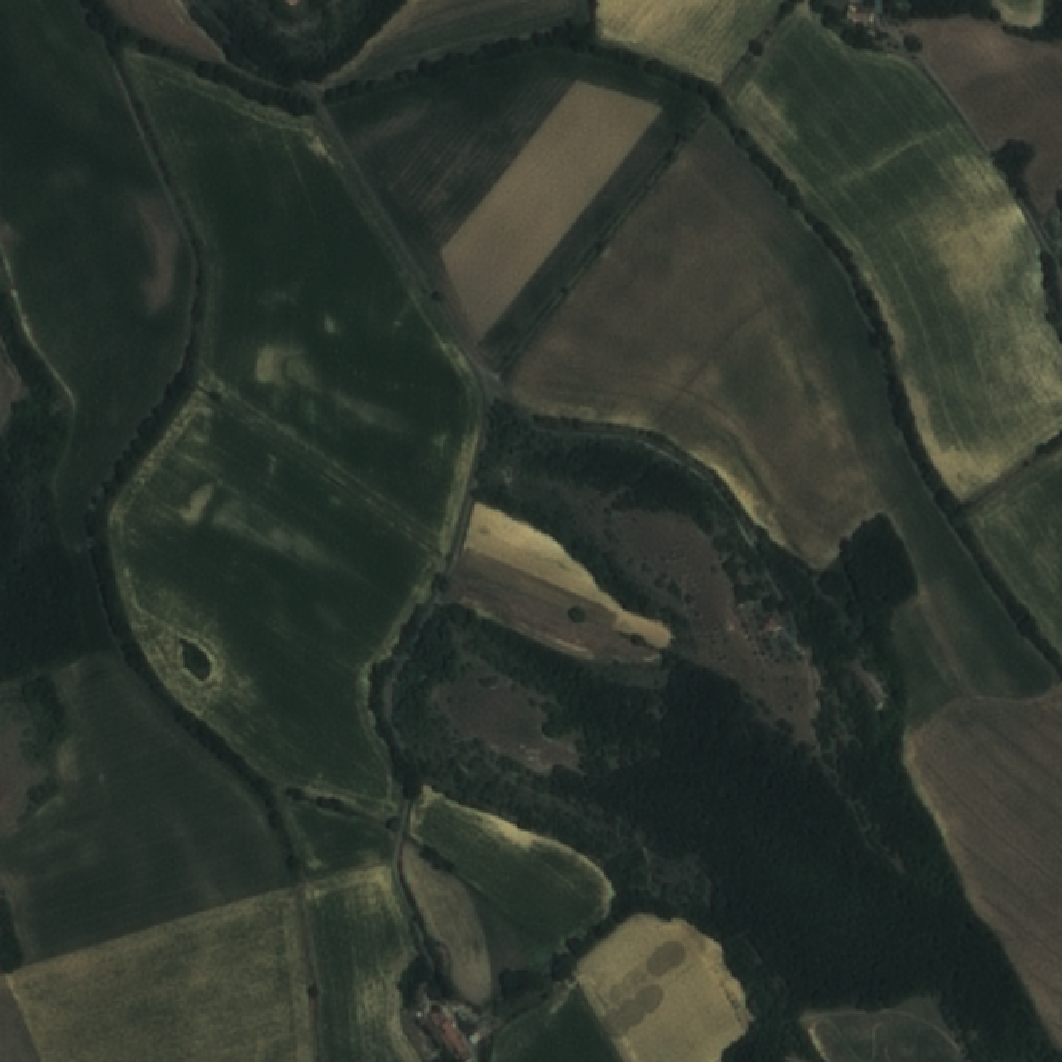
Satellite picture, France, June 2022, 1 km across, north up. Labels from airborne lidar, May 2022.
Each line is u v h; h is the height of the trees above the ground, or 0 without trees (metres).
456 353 0
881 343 20
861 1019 0
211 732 16
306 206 0
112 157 0
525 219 0
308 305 0
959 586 0
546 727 10
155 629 0
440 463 0
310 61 6
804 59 0
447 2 0
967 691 0
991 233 0
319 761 0
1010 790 0
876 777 15
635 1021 0
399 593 0
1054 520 0
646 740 9
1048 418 0
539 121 0
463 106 0
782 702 0
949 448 0
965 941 20
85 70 0
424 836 0
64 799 0
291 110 15
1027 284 0
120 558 0
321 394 0
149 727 0
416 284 0
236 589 0
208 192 0
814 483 0
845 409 0
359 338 0
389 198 0
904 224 0
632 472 7
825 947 12
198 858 0
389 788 0
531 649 12
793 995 11
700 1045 0
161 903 0
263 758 0
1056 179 0
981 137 0
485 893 0
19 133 0
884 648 12
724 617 0
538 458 9
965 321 0
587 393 0
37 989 0
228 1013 0
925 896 9
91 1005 0
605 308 0
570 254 0
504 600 0
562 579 0
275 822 17
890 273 0
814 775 9
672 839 10
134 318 0
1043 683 0
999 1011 17
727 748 13
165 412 8
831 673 6
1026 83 0
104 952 0
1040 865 0
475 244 0
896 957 13
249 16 6
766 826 10
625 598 12
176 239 0
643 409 0
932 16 8
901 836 14
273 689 0
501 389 0
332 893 0
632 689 8
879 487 0
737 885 14
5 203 0
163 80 0
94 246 0
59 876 0
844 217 0
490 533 0
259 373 0
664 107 0
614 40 0
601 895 0
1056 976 0
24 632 18
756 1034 13
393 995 0
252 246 0
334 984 0
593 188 0
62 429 7
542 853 0
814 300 0
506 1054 0
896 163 0
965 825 0
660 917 16
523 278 0
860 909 12
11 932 7
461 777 8
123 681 0
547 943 0
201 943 0
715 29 0
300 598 0
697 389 0
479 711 0
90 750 0
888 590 13
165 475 0
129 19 0
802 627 11
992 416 0
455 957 0
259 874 0
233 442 0
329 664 0
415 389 0
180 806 0
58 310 0
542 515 7
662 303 0
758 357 0
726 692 12
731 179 0
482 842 0
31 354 14
